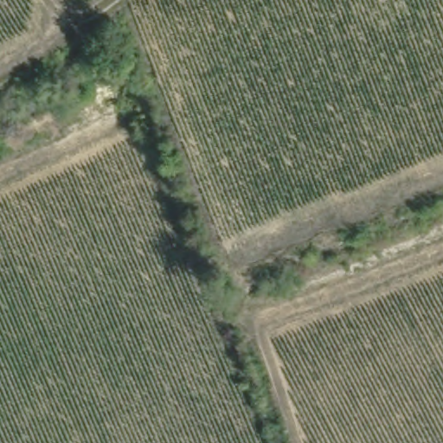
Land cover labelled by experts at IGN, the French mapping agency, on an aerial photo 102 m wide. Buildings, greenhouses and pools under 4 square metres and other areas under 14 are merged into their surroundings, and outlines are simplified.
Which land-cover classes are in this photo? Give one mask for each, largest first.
<instances>
[{"label":"vineyard","instance_id":"1","mask_svg":"<svg viewBox=\"0 0 443 443\"><path fill-rule=\"evenodd\" d=\"M31 14L29 0H0V43L5 38L21 35L26 29V21ZM132 24V35L137 38V48H140L142 57L140 61L147 64L149 76L154 80L164 104L170 107L175 119L178 132H175L173 138L177 142L178 156L182 157L183 166H187L189 170V175L183 178L185 187L196 197L199 228H209V232L220 235L223 247L227 251H232L239 242H246L251 235L279 234L291 221H308L306 213L315 206L322 209L331 208L337 202L350 201V197L370 194L379 196V192L388 183L400 182L408 177H431L436 171L443 170V0H137L133 3L132 9L128 10L125 19ZM114 97L111 88L97 87L95 97L83 107V121L69 126V133L62 140L54 144L38 145L21 154H12L0 163V443H260L254 429L253 410L246 407L242 400L244 391H247V384L228 381L234 374V369L246 367L241 353L237 351V344L241 343V339L239 327L234 325L239 313H225V299L232 289H220L209 284L211 280H218L220 270L216 263L209 261L197 249L187 246V239L197 234V228H189L183 230L182 234H175L170 223L161 218V204L154 201L156 182L145 171L144 154H140L135 147L128 144L125 130H121L116 123L114 106L104 104V99ZM256 343L261 362L265 365L266 374L270 379L273 400L279 408L287 438L291 443H443V223L434 225L427 234H415L408 241L384 247L382 253L369 256L365 261H351L350 266L344 270L337 268L324 275H315L303 282L296 298L287 301L280 299L277 305L268 306L256 313Z\"/></svg>","mask_w":443,"mask_h":443},{"label":"deciduous trees","instance_id":"2","mask_svg":"<svg viewBox=\"0 0 443 443\"><path fill-rule=\"evenodd\" d=\"M132 24L125 19H118L107 28L90 26L85 36L78 42L71 43L69 47L67 43L54 45L42 57H33L28 62L19 64L10 71L9 81L0 88V163L12 154H21L38 145L54 144L62 140L69 133V126L83 121V107L95 97L97 87L111 88L114 97L104 99V104L114 106L116 123L121 130H125L128 144L135 147L140 154H144L145 171L156 182L154 201L161 204V218L170 223L175 234H182L183 230L189 228H197V234L187 239V246L197 249L209 261L216 253H220L223 247L220 235L209 232V228H199L196 197L185 187L183 178L189 175V170L187 166H183L182 157L178 156L177 142L173 138L175 132H178L175 119L170 107L164 104L154 80L149 76L147 64L140 61L142 57L140 48H137V38L132 35ZM374 218H365L350 223L346 228H337L336 235H320L317 241L313 242V246L299 247V261L277 258L270 265L249 268L251 296L280 299L287 301L296 298L303 282L315 275H324L337 268L344 270L350 266L351 261H365L369 256L382 253L384 247L408 241L415 234H427L434 225L443 223V185H436L433 190L415 194L412 199L401 202L398 206L376 204V209L372 213ZM209 284L220 289H232V277L220 270L218 280H211Z\"/></svg>","mask_w":443,"mask_h":443},{"label":"herbaceous vegetation","instance_id":"3","mask_svg":"<svg viewBox=\"0 0 443 443\"><path fill-rule=\"evenodd\" d=\"M31 14L26 21V29L21 35L5 38L0 43V88L9 81L10 71L19 64L28 62L33 57H42L54 45L67 43L69 47L71 43L78 42L85 36L90 26L107 28L118 19H125L128 10L132 9L133 3L137 0H29ZM436 185H443V170L436 171L431 177H408L400 182L388 183L379 192V196L370 194L350 197V201L337 202L331 208L322 209L315 206L306 213L308 221H291L279 234L251 235L246 242H239L232 251H227L223 247L220 253H216L209 261L216 263L220 270L232 277V289L225 299V313H239L234 325L239 327L241 339L244 343H256V313L268 306L277 305L280 299L251 296L249 268L270 265L277 258L299 261V247L313 246V242L317 241L320 235H336L337 228H346L350 223L365 218H374L372 213L376 209V204L398 206L401 202L412 199L415 194L433 190Z\"/></svg>","mask_w":443,"mask_h":443},{"label":"brushwood","instance_id":"4","mask_svg":"<svg viewBox=\"0 0 443 443\"><path fill-rule=\"evenodd\" d=\"M237 351L241 353L246 367L234 369V374L228 381L247 384V391H244L242 400L246 407L253 410L254 429L260 443H291L287 438L279 408L273 400L270 379L266 374L265 365L261 362L256 343H244L241 339V343L237 344Z\"/></svg>","mask_w":443,"mask_h":443}]
</instances>
